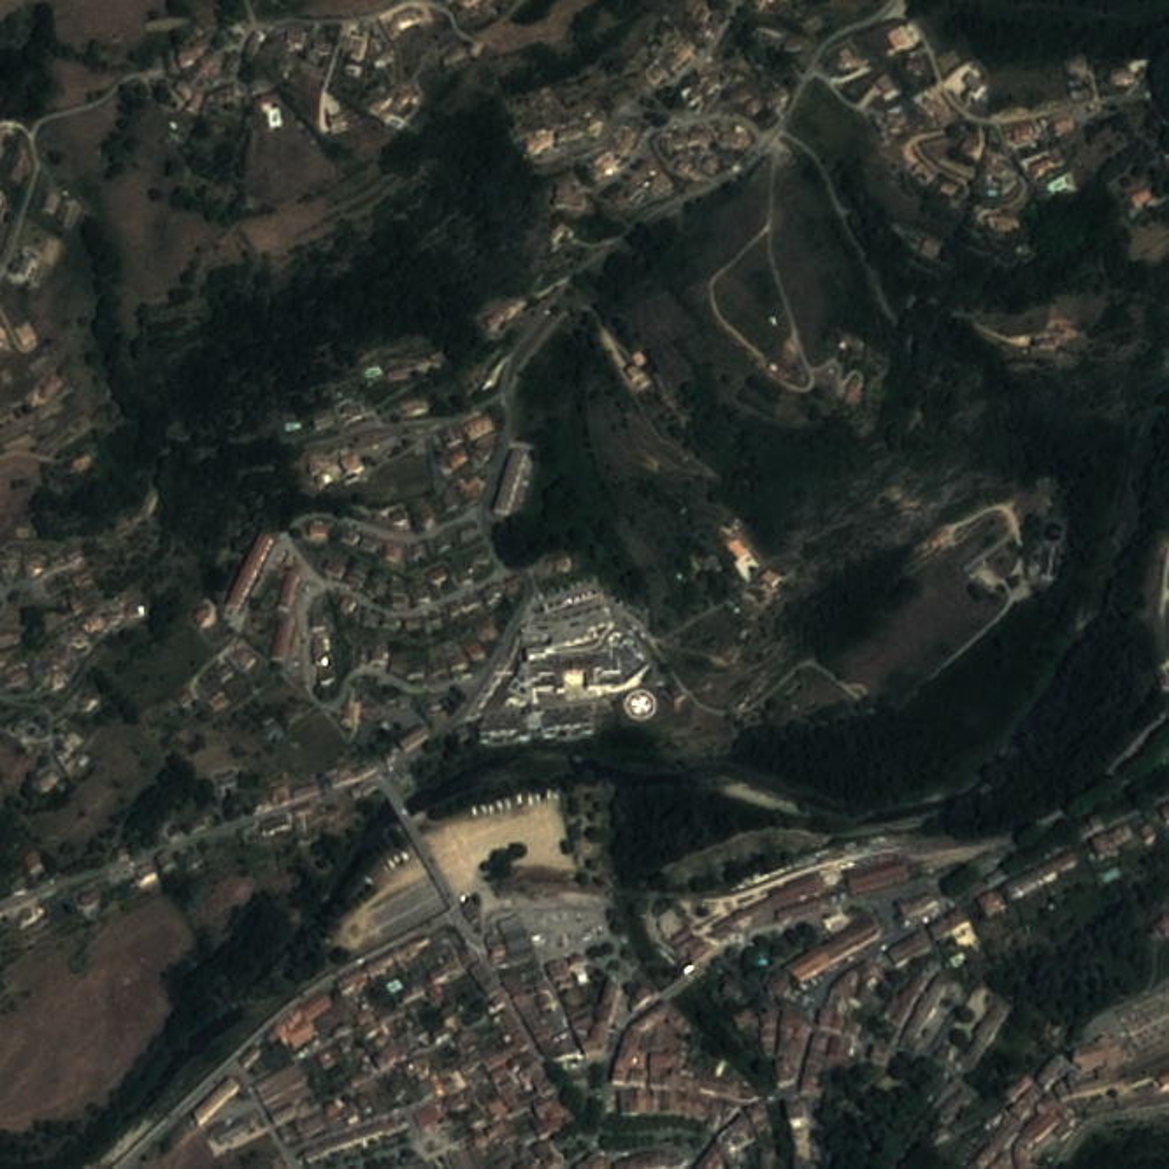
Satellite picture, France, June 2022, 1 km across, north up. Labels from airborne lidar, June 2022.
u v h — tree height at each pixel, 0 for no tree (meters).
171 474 19
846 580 11
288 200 0
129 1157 0
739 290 0
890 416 10
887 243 14
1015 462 12
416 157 10
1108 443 9
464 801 12
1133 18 0
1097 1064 0
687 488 6
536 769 0
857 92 0
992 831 16
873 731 15
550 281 9
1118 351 10
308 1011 0
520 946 0
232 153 7
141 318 9
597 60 10
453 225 12
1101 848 0
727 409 8
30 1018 0
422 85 0
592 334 8
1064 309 0
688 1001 0
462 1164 0
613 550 7
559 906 0
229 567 11
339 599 7
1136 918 19
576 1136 11
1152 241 0
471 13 0
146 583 7
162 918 0
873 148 0
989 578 0
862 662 0
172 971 6
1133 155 13
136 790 0
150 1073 16
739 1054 7
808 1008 0
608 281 13
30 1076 0
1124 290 11
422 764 11
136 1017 0
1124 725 30
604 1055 0
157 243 0
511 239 12
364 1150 9
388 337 7
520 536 16
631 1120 13
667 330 0
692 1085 0
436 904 0
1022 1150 0
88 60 9
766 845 0
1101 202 15
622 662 0
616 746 10
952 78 0
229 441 11
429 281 16
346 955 13
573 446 0
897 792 16
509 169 8
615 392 7
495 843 0
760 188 0
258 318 15
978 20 6
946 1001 11
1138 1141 10
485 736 0
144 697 0
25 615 17
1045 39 11
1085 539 15
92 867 7
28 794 15
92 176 0
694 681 0
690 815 15
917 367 11
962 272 6
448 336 15
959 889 22
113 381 15
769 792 0
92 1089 0
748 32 9
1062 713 12
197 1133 0
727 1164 0
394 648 5
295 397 9
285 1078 0
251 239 0
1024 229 7
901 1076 23
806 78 0
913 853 0
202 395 14
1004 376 9
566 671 0
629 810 12
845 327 10
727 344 0
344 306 15
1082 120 0
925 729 9
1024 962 7
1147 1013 0
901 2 0
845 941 0
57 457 6
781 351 0
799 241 0
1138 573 13
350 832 13
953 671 7
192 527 18
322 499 8
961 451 6
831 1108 11
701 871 0
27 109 8
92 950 0
